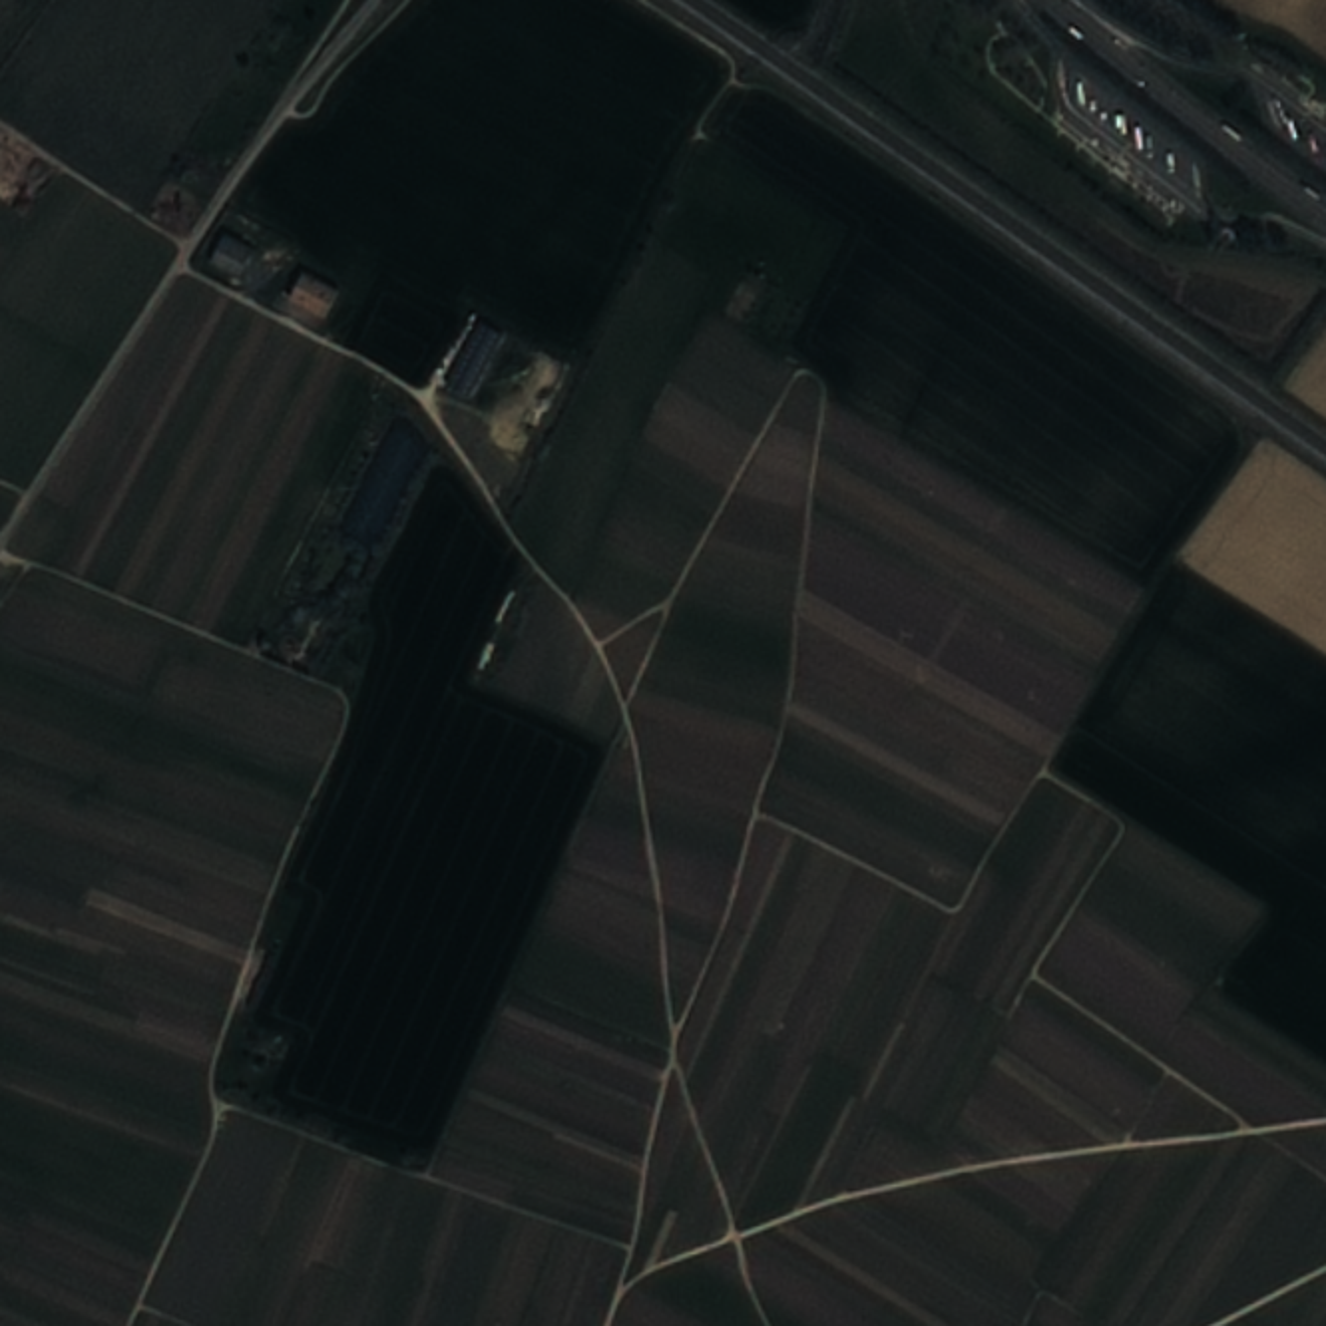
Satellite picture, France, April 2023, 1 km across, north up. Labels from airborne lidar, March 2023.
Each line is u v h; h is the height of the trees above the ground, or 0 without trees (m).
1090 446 0
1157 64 0
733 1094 0
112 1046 0
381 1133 0
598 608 0
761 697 0
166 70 0
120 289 0
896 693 0
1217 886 0
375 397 0
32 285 0
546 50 0
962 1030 0
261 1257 0
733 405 0
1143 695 0
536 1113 0
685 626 0
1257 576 0
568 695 0
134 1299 0
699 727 0
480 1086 0
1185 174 0
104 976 0
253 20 0
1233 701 0
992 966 0
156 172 0
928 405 0
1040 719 0
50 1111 0
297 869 0
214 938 0
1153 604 0
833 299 0
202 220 0
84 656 0
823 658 0
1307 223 0
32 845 0
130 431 0
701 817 0
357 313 0
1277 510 0
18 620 0
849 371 0
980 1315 0
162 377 0
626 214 0
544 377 0
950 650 0
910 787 0
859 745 0
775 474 0
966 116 0
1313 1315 0
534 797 0
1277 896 0
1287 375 0
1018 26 9
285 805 0
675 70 0
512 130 0
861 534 0
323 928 0
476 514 0
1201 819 0
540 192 0
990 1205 0
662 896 0
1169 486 0
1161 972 0
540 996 0
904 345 0
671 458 0
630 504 0
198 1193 0
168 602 0
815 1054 0
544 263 0
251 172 0
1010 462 0
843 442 0
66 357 0
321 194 0
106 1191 0
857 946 0
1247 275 0
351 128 0
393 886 0
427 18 0
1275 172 0
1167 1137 0
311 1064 0
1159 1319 0
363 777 0
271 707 0
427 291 0
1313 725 0
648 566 0
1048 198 0
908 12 0
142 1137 0
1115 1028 0
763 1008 0
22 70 0
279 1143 0
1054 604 0
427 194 0
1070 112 0
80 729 0
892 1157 0
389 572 0
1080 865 0
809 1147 0
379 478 0
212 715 0
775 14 0
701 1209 0
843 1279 0
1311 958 0
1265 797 0
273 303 0
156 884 0
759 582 0
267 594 0
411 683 0
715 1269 0
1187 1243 0
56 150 0
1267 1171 0
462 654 0
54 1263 0
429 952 0
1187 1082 0
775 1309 0
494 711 0
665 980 0
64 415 0
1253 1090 0
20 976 0
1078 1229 0
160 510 0
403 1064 0
